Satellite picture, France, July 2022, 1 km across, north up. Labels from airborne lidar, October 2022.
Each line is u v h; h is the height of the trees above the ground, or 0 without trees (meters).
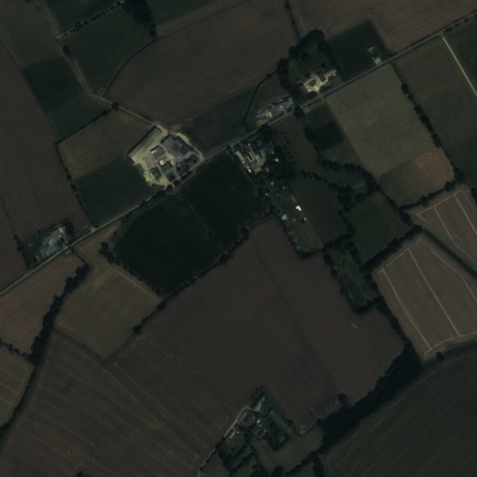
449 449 0
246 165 0
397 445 0
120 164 0
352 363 0
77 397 0
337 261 0
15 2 0
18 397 0
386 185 0
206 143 0
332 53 11
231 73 0
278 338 0
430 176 0
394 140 0
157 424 0
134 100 0
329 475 0
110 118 0
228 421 0
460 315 0
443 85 0
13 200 0
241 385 0
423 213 0
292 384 0
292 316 0
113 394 0
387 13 0
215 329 0
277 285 0
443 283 0
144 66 0
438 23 0
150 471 0
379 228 0
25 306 0
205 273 8
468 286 0
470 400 0
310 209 0
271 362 0
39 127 0
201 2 0
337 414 6
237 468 6
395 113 0
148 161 0
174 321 0
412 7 0
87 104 0
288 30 0
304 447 0
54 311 16
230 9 0
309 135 17
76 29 6
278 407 0
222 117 0
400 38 0
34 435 0
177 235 0
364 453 0
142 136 0
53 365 0
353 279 0
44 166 0
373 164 0
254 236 0
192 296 0
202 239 0
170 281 0
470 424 0
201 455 0
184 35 0
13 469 0
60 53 0
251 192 0
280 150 17
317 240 0
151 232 0
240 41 0
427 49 0
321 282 0
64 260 0
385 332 0
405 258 0
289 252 0
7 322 0
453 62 0
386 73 0
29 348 0
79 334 0
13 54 0
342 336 0
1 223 0
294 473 10
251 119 0
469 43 0
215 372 0
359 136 0
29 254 0
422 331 0
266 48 0
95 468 0
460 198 0
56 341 0
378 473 0
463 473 0
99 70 0
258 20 0
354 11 0
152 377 0
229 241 0
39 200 0
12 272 0
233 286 0
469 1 0
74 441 0
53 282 0
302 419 0
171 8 0
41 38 0
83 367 0
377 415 0
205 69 0
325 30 0
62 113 0
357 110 0
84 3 0
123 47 0
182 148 0
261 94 0
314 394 0
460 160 0
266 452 0
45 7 0
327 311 0
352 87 0
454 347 0
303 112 15
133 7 31
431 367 0
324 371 0
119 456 0
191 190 0
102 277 0
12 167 0
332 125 0
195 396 0
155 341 0
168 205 0
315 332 0
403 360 14
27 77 0
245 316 0
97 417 0
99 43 0
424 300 0
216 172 0
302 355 0
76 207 0
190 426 0
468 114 0
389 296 0
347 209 17
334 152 0
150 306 0
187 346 0
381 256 14
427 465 0
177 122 0
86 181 0
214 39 0
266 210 0
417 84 0
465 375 0
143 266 0
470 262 0
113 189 0
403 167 0
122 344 0
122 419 0
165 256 0
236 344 0
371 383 0
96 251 0
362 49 0
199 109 0
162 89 0
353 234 8
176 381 0
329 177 0
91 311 0
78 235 0
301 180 0
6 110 0
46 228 0
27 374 0
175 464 0
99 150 0
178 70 0
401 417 0
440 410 0
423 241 0
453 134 0
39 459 0
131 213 5
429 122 14
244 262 0
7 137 0
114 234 8
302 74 0
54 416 0
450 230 0
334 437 16
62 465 0
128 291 0
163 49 0
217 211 0
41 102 0
